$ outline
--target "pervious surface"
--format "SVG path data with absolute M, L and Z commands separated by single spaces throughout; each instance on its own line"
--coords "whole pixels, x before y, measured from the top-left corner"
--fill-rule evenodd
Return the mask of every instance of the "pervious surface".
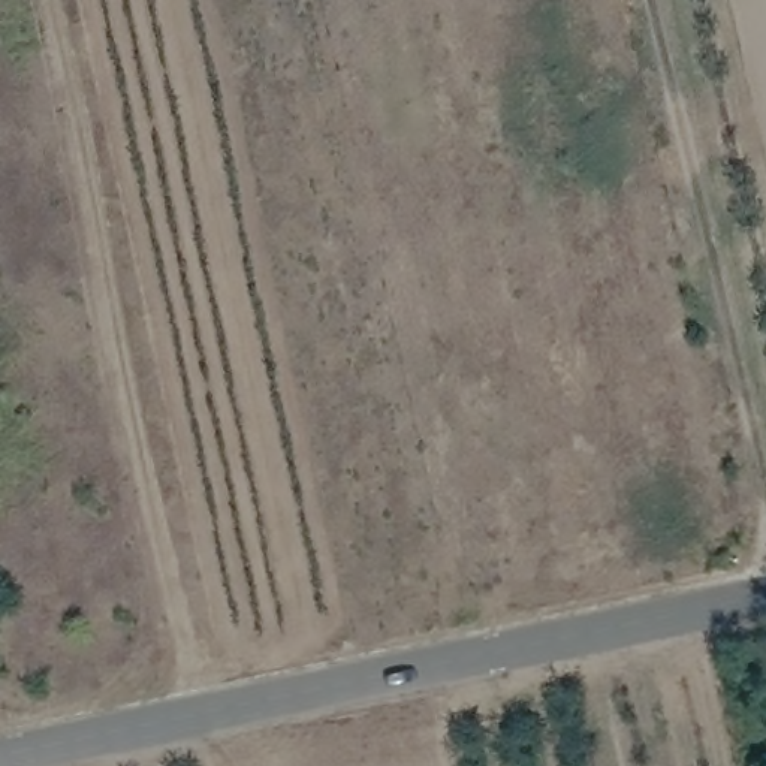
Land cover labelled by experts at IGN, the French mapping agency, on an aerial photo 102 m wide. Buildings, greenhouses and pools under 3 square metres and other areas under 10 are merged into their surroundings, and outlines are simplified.
M 712 586 L 766 577 L 766 503 L 757 503 L 757 539 L 751 548 L 748 569 L 730 569 L 709 572 L 706 583 Z
M 111 413 L 108 428 L 114 455 L 120 458 L 120 467 L 132 473 L 138 488 L 138 506 L 159 577 L 159 592 L 171 622 L 171 640 L 177 652 L 177 682 L 168 694 L 171 700 L 245 688 L 257 682 L 254 670 L 272 670 L 266 664 L 266 655 L 269 646 L 281 643 L 284 625 L 275 622 L 275 616 L 263 622 L 263 631 L 251 628 L 239 628 L 236 622 L 230 622 L 224 589 L 218 580 L 209 515 L 200 488 L 186 494 L 180 491 L 162 500 L 162 488 L 156 479 L 156 464 L 138 398 L 138 380 L 126 341 L 126 320 L 117 293 L 117 269 L 108 236 L 102 177 L 96 165 L 93 123 L 75 69 L 75 51 L 69 45 L 69 18 L 63 0 L 39 0 L 33 18 L 45 24 L 45 45 L 39 48 L 45 81 L 51 114 L 54 108 L 66 111 L 69 159 L 75 165 L 75 189 L 87 233 L 87 254 L 93 266 L 90 275 L 81 275 L 81 293 L 87 317 L 93 323 L 93 356 L 102 383 L 99 404 Z

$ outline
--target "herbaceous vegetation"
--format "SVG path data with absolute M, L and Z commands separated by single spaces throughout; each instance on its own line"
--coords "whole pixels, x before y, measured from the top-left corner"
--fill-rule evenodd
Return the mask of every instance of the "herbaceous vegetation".
M 108 153 L 93 69 L 87 63 L 78 0 L 63 0 L 69 18 L 69 45 L 75 51 L 75 69 L 93 123 L 96 165 L 102 177 L 108 236 L 117 269 L 117 293 L 126 320 L 126 341 L 138 380 L 138 398 L 156 464 L 156 479 L 162 488 L 162 500 L 180 491 L 174 449 L 165 431 L 168 407 L 159 395 L 159 380 L 147 344 L 141 290 L 132 266 L 126 218 L 120 209 L 117 171 Z
M 479 718 L 485 733 L 497 733 L 506 703 L 524 700 L 539 715 L 548 709 L 542 685 L 548 691 L 560 691 L 577 688 L 580 682 L 586 694 L 586 727 L 598 733 L 592 766 L 766 766 L 766 661 L 760 664 L 763 682 L 757 694 L 751 694 L 751 703 L 721 700 L 721 682 L 712 667 L 709 646 L 700 631 L 691 631 L 518 670 L 491 667 L 479 676 L 455 679 L 446 688 L 446 694 L 437 694 L 431 700 L 434 727 L 419 730 L 419 751 L 428 751 L 431 757 L 437 754 L 440 766 L 458 766 L 449 739 L 455 727 L 464 727 Z M 637 715 L 628 724 L 622 724 L 613 706 L 613 685 L 628 685 L 628 700 Z
M 84 757 L 60 766 L 305 766 L 308 760 L 314 760 L 314 745 L 296 745 L 293 739 L 275 736 L 269 718 L 209 730 L 192 739 L 171 739 L 150 748 Z
M 0 569 L 6 569 L 12 580 L 21 586 L 18 610 L 0 619 L 0 718 L 30 715 L 39 712 L 39 706 L 45 706 L 51 715 L 63 715 L 69 703 L 90 706 L 96 718 L 159 706 L 171 700 L 168 694 L 177 682 L 177 652 L 171 640 L 171 622 L 159 592 L 159 577 L 138 506 L 138 488 L 132 473 L 120 467 L 120 458 L 114 455 L 108 428 L 111 413 L 99 404 L 102 383 L 93 356 L 93 323 L 87 317 L 81 293 L 81 275 L 90 275 L 93 266 L 87 254 L 87 233 L 75 189 L 75 165 L 69 159 L 66 111 L 54 108 L 51 114 L 45 81 L 21 84 L 6 69 L 0 69 L 0 290 L 24 302 L 33 311 L 30 320 L 36 320 L 45 329 L 45 335 L 30 335 L 18 347 L 18 353 L 6 356 L 9 383 L 3 392 L 18 395 L 15 413 L 30 416 L 39 425 L 39 431 L 51 440 L 51 461 L 45 473 L 51 488 L 45 494 L 45 506 L 36 518 L 18 527 L 0 521 Z M 72 497 L 75 482 L 93 482 L 93 488 L 105 491 L 111 512 L 96 515 L 87 506 L 81 506 Z M 33 673 L 39 667 L 48 667 L 48 694 L 30 697 L 21 682 L 24 673 Z

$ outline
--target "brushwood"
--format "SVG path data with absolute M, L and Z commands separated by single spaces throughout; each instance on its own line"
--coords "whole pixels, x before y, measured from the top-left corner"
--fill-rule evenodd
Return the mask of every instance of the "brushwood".
M 33 18 L 39 0 L 0 0 L 0 69 L 6 69 L 21 84 L 45 81 L 39 48 L 45 45 L 45 24 Z
M 227 350 L 227 332 L 215 296 L 197 192 L 192 180 L 183 114 L 171 75 L 162 75 L 162 90 L 174 126 L 194 251 L 209 302 L 224 392 L 236 428 L 239 461 L 248 482 L 263 575 L 275 616 L 275 622 L 284 625 L 284 601 L 272 566 L 263 500 L 245 437 L 245 419 Z
M 105 48 L 120 96 L 126 147 L 138 183 L 138 200 L 174 344 L 174 362 L 194 443 L 200 488 L 209 515 L 218 580 L 224 589 L 230 622 L 236 622 L 239 607 L 233 598 L 227 557 L 221 545 L 203 434 L 194 413 L 192 380 L 168 287 L 162 242 L 156 233 L 156 218 L 147 194 L 147 171 L 138 147 L 132 99 L 126 87 L 126 72 L 108 0 L 99 0 Z
M 24 302 L 0 290 L 0 521 L 18 527 L 36 518 L 45 506 L 45 494 L 51 488 L 45 473 L 51 461 L 51 440 L 39 431 L 39 425 L 30 416 L 15 413 L 18 395 L 3 392 L 9 383 L 6 356 L 18 353 L 18 347 L 30 335 L 45 335 L 45 329 L 36 320 L 30 320 L 33 311 Z
M 625 141 L 631 138 L 625 135 L 622 123 L 631 114 L 631 105 L 625 102 L 625 90 L 616 90 L 604 99 L 604 105 L 589 108 L 595 120 L 586 126 L 586 132 L 575 132 L 575 141 L 554 150 L 554 156 L 572 165 L 589 189 L 601 192 L 604 200 L 610 200 L 613 192 L 622 186 L 622 177 L 631 165 L 625 159 Z
M 156 0 L 144 0 L 159 66 L 168 66 L 168 51 Z
M 120 0 L 135 75 L 144 99 L 144 114 L 153 114 L 156 108 L 132 0 Z
M 150 129 L 156 177 L 177 257 L 180 290 L 192 326 L 197 371 L 200 377 L 209 377 L 162 135 L 159 129 Z
M 75 482 L 72 497 L 81 506 L 87 506 L 96 515 L 111 512 L 105 491 L 93 488 L 93 482 Z
M 263 622 L 251 557 L 242 533 L 242 515 L 236 503 L 236 485 L 230 476 L 224 431 L 215 398 L 212 392 L 206 392 L 203 401 L 221 464 L 233 542 L 251 607 L 251 628 L 263 631 Z
M 721 539 L 721 545 L 706 554 L 709 572 L 730 569 L 730 554 L 742 542 L 742 530 L 730 530 Z
M 189 0 L 189 15 L 200 48 L 212 120 L 218 132 L 218 150 L 242 257 L 245 290 L 254 314 L 269 404 L 278 425 L 278 443 L 296 506 L 296 524 L 317 613 L 326 613 L 320 560 L 305 515 L 305 494 L 278 389 L 266 311 L 254 281 L 251 242 L 245 233 L 221 84 L 209 51 L 200 0 Z

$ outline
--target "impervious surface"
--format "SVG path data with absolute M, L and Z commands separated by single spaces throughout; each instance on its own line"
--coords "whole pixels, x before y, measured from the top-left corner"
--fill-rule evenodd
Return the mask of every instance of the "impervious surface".
M 401 655 L 353 661 L 305 676 L 257 682 L 245 688 L 171 700 L 159 706 L 96 718 L 39 727 L 21 736 L 0 736 L 0 766 L 60 766 L 84 757 L 150 748 L 171 739 L 192 739 L 209 730 L 269 718 L 365 697 L 374 691 L 389 691 L 389 685 L 401 688 L 404 682 L 455 679 L 479 676 L 491 667 L 518 670 L 691 631 L 700 631 L 709 646 L 727 640 L 727 634 L 736 625 L 766 625 L 766 577 L 712 586 L 616 610 L 527 625 L 503 631 L 497 637 L 470 637 L 428 649 L 410 649 Z

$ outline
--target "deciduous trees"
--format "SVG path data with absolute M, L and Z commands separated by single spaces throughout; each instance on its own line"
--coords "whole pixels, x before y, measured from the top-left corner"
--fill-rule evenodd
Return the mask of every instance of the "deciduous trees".
M 637 715 L 628 700 L 628 685 L 613 685 L 613 706 L 622 724 L 628 724 Z
M 24 673 L 21 682 L 30 697 L 48 694 L 48 667 L 39 667 L 33 673 Z
M 742 159 L 727 159 L 727 180 L 733 186 L 733 194 L 727 200 L 727 212 L 742 227 L 757 227 L 763 203 L 757 197 L 754 171 Z
M 12 580 L 6 569 L 0 569 L 0 619 L 18 610 L 21 586 Z
M 580 682 L 577 688 L 560 691 L 548 691 L 542 685 L 548 709 L 539 715 L 524 700 L 506 703 L 497 733 L 485 733 L 479 718 L 464 727 L 455 727 L 449 739 L 458 766 L 592 766 L 598 733 L 586 727 L 586 694 Z
M 712 42 L 700 48 L 703 72 L 709 78 L 724 78 L 727 57 Z
M 721 682 L 721 700 L 751 703 L 751 694 L 757 694 L 763 682 L 760 664 L 766 661 L 766 625 L 736 625 L 727 634 L 727 640 L 709 646 L 712 667 Z
M 751 266 L 751 287 L 760 305 L 757 326 L 766 332 L 766 260 Z

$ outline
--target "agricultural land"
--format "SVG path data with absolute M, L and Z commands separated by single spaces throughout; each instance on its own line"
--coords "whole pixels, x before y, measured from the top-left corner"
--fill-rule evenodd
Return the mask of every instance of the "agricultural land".
M 39 712 L 30 715 L 0 718 L 0 736 L 21 736 L 39 727 L 96 718 L 90 706 L 69 703 L 63 715 L 51 715 L 45 706 L 39 706 Z
M 706 554 L 721 545 L 721 539 L 730 530 L 742 530 L 742 542 L 730 554 L 730 569 L 748 569 L 751 548 L 757 539 L 757 503 L 766 503 L 766 332 L 757 326 L 760 305 L 751 287 L 751 266 L 766 260 L 766 0 L 200 0 L 209 51 L 221 84 L 245 233 L 251 242 L 254 281 L 266 311 L 278 389 L 305 494 L 305 515 L 320 560 L 326 613 L 317 613 L 296 524 L 296 506 L 278 443 L 278 425 L 269 404 L 254 314 L 245 290 L 242 257 L 218 150 L 218 132 L 212 120 L 200 48 L 189 15 L 189 0 L 156 0 L 168 51 L 168 66 L 159 66 L 144 0 L 132 0 L 156 108 L 153 114 L 144 114 L 144 99 L 135 75 L 120 0 L 108 0 L 126 72 L 126 87 L 132 99 L 138 147 L 147 171 L 147 194 L 156 218 L 156 233 L 162 242 L 168 287 L 192 380 L 194 413 L 203 434 L 221 545 L 227 557 L 233 598 L 239 607 L 236 622 L 239 628 L 251 628 L 251 607 L 233 542 L 221 464 L 203 401 L 206 392 L 212 392 L 215 398 L 224 431 L 230 476 L 236 485 L 236 503 L 242 515 L 242 533 L 251 557 L 263 622 L 275 616 L 263 575 L 248 482 L 239 461 L 236 428 L 224 392 L 209 302 L 194 251 L 174 126 L 162 90 L 162 75 L 171 75 L 183 114 L 192 180 L 197 192 L 215 296 L 227 332 L 227 350 L 245 419 L 245 437 L 263 500 L 272 566 L 284 601 L 284 625 L 281 643 L 269 646 L 266 655 L 266 664 L 272 670 L 254 670 L 257 682 L 305 676 L 353 661 L 401 655 L 410 649 L 428 649 L 470 637 L 497 637 L 503 631 L 527 625 L 616 610 L 712 586 L 706 583 L 709 572 Z M 712 42 L 727 57 L 724 78 L 709 78 L 703 72 L 700 48 Z M 631 138 L 625 141 L 625 159 L 631 165 L 622 177 L 622 186 L 613 192 L 610 200 L 604 200 L 601 192 L 589 189 L 572 165 L 554 156 L 554 150 L 575 141 L 575 132 L 586 132 L 586 126 L 595 120 L 589 108 L 604 105 L 604 99 L 616 90 L 625 90 L 625 102 L 631 105 L 631 114 L 622 123 L 625 135 Z M 209 377 L 200 377 L 197 371 L 192 326 L 180 290 L 177 257 L 156 177 L 150 129 L 159 129 L 162 135 Z M 763 203 L 757 227 L 742 227 L 727 212 L 727 200 L 733 194 L 733 186 L 727 180 L 727 159 L 742 159 L 754 171 L 757 197 Z
M 117 171 L 120 209 L 126 218 L 132 266 L 141 290 L 147 344 L 159 380 L 159 395 L 168 407 L 165 431 L 174 449 L 180 491 L 186 494 L 200 488 L 194 443 L 174 362 L 174 344 L 138 200 L 138 183 L 126 147 L 120 96 L 105 48 L 99 0 L 78 0 L 87 63 L 93 69 L 108 153 Z
M 314 760 L 308 760 L 305 766 L 440 766 L 437 754 L 431 757 L 428 751 L 419 751 L 419 730 L 434 727 L 431 700 L 437 694 L 446 694 L 446 688 L 455 679 L 404 682 L 401 688 L 389 685 L 389 691 L 374 691 L 365 697 L 269 718 L 275 736 L 293 739 L 296 745 L 314 745 Z

